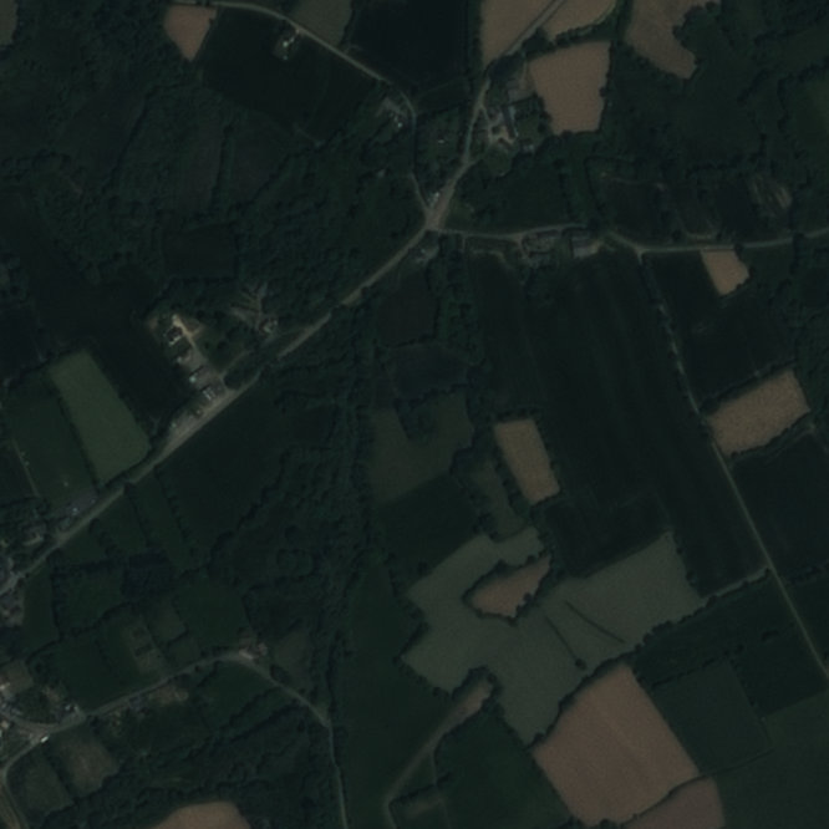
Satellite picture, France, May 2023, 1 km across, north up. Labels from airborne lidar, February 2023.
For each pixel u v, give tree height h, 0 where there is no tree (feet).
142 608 59
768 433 0
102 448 0
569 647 0
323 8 0
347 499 50
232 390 27
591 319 0
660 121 0
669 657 0
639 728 0
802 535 0
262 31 0
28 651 25
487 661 0
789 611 0
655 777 0
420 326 0
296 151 0
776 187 0
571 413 0
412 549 0
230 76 0
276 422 0
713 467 0
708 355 0
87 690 0
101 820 39
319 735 54
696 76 21
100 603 0
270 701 28
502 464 20
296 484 0
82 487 0
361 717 0
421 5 0
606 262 0
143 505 42
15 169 28
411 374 0
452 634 0
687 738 0
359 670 0
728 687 0
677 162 50
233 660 0
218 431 0
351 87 0
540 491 0
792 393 0
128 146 21
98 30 74
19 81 0
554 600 0
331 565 31
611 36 30
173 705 0
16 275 55
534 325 0
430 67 0
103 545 30
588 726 0
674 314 0
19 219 0
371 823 0
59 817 51
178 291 46
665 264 0
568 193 62
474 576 0
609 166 30
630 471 0
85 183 57
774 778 0
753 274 40
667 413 0
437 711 0
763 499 0
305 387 0
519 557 0
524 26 0
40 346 0
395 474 0
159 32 31
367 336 56
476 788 0
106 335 0
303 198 25
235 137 28
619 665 20
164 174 33
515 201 0
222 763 32
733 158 0
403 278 0
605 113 22
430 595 0
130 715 22
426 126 56
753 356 0
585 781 0
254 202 21
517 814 0
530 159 45
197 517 0
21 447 0
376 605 0
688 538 0
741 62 0
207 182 0
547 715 0
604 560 0
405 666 24
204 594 0
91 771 0
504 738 0
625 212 0
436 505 0
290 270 34
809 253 55
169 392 0
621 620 0
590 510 0
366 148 32
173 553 0
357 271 21
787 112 27
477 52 40
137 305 0
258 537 0
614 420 0
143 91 33
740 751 0
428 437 32
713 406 39
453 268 29
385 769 0
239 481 0
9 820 0
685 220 0
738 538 0
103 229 24
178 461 0
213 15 0
